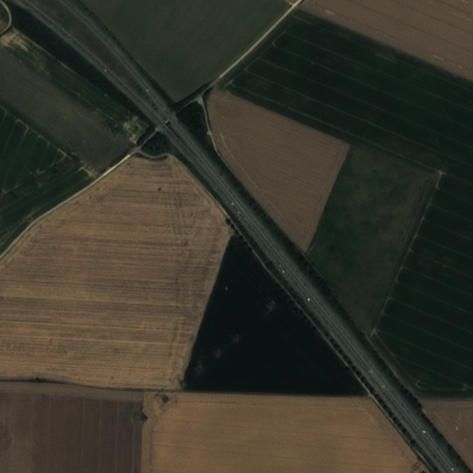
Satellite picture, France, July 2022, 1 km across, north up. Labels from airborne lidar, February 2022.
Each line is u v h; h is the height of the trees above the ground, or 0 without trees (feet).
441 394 0
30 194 0
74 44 0
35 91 0
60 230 0
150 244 0
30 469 0
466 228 0
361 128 0
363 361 0
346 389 0
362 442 0
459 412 0
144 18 0
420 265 0
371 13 0
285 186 0
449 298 0
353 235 0
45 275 0
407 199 0
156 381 0
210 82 0
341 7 0
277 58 0
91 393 0
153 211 0
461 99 0
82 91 0
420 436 0
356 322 0
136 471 0
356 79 0
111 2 0
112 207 0
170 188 0
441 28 0
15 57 0
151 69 0
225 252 0
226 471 0
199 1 0
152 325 0
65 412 0
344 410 0
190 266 0
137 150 0
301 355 0
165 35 0
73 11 0
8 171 0
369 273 0
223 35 0
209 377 0
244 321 0
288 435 0
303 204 0
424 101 0
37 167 0
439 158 0
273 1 0
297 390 0
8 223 0
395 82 0
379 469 0
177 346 0
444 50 0
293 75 0
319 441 0
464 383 0
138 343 0
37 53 0
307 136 0
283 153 0
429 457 0
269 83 0
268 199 0
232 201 0
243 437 0
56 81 0
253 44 0
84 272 0
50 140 0
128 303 0
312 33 0
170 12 0
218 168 0
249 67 0
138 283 0
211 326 0
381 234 0
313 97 0
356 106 0
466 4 0
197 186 0
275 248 0
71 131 0
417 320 0
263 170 0
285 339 0
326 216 0
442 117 0
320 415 0
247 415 0
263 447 0
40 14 0
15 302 0
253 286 0
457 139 0
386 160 0
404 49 0
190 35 0
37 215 0
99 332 0
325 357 0
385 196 0
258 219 0
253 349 0
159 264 0
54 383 0
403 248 0
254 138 0
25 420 0
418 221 0
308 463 0
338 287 0
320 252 0
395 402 0
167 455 0
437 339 0
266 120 0
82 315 0
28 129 0
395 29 0
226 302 0
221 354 0
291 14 0
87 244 0
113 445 0
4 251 0
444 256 0
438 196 0
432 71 0
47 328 0
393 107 0
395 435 0
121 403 0
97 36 0
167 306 0
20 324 0
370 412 0
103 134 0
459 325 0
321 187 0
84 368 0
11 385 0
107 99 0
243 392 0
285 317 0
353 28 0
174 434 0
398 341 0
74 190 0
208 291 0
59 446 0
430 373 0
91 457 0
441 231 0
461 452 0
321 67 0
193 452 0
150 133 31
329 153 0
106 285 0
